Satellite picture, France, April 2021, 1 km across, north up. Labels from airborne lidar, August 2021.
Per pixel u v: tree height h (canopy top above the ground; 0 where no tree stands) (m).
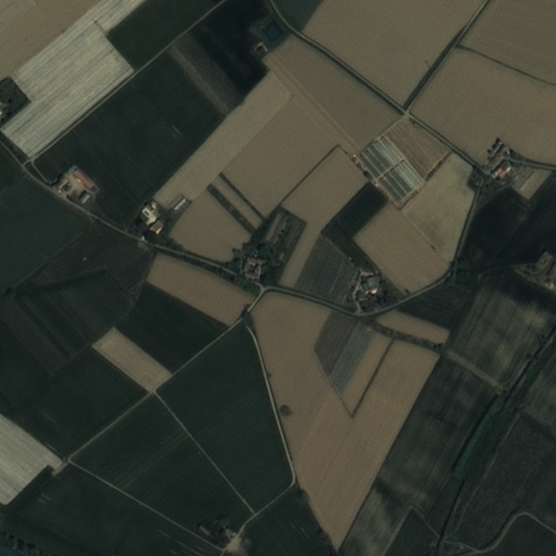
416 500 0
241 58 0
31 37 0
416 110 0
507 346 0
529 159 0
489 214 0
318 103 0
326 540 15
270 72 0
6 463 0
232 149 0
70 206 0
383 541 0
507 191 0
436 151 0
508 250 0
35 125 0
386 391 0
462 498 12
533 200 0
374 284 0
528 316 0
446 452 0
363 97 0
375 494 0
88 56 0
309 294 0
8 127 0
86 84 0
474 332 0
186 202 0
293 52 0
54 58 0
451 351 0
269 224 6
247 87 0
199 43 0
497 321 0
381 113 0
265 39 0
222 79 0
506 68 0
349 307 0
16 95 6
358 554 0
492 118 0
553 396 0
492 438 15
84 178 0
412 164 0
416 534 0
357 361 0
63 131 0
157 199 0
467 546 0
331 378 0
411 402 0
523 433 0
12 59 0
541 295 0
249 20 0
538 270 13
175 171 0
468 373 0
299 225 0
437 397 0
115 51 0
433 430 0
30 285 0
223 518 8
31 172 0
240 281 14
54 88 0
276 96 0
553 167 0
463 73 0
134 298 0
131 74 0
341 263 0
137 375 0
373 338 0
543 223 0
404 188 0
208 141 0
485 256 0
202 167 0
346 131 0
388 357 0
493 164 13
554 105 0
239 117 0
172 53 0
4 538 9
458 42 0
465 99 0
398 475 0
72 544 0
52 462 0
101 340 0
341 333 0
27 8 0
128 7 0
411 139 0
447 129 0
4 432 0
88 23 0
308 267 0
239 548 0
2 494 0
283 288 0
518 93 0
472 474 13
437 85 0
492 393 0
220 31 0
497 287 0
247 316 14
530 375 11
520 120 0
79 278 0
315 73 0
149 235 15
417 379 0
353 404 0
